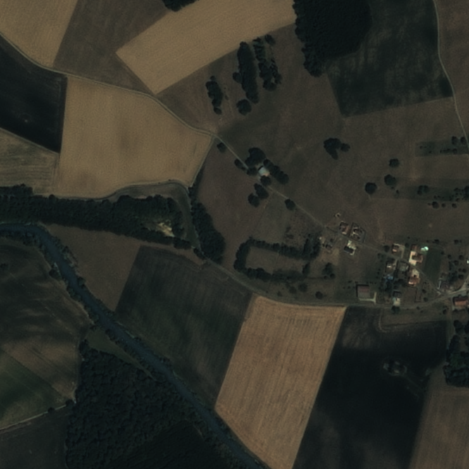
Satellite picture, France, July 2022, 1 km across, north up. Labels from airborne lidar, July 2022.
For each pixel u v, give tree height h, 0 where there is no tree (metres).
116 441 25
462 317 0
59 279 14
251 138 0
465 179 0
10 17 0
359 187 0
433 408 0
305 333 0
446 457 0
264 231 0
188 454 12
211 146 0
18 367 0
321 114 0
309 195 0
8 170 0
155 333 0
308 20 14
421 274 0
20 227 0
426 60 0
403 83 0
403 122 0
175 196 0
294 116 0
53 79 0
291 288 0
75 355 0
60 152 0
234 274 0
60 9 0
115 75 0
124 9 0
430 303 0
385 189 0
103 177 0
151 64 0
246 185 0
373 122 0
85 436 24
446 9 0
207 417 0
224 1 0
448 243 0
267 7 0
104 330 9
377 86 0
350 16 14
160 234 10
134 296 0
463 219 0
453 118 0
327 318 0
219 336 0
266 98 0
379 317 0
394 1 0
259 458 0
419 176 0
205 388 0
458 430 0
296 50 0
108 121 0
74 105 0
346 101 0
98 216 14
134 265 0
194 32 0
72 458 22
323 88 0
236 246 0
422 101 0
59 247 10
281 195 0
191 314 0
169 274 0
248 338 0
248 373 0
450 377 23
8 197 16
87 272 0
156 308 0
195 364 0
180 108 0
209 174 0
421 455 0
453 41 0
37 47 0
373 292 0
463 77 0
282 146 0
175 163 0
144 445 6
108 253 0
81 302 7
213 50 0
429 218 0
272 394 0
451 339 0
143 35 0
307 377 0
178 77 0
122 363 18
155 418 26
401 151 0
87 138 0
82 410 21
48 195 0
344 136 0
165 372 0
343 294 0
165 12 0
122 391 24
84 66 0
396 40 0
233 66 0
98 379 30
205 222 16
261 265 0
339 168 0
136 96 0
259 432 0
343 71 0
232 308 0
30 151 0
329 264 6
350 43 14
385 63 0
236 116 0
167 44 0
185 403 21
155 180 0
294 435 0
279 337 0
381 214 0
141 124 0
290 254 6
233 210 0
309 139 0
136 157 0
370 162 0
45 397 0
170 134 0
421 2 0
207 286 0
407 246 7
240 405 0
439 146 0
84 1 0
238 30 0
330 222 0
